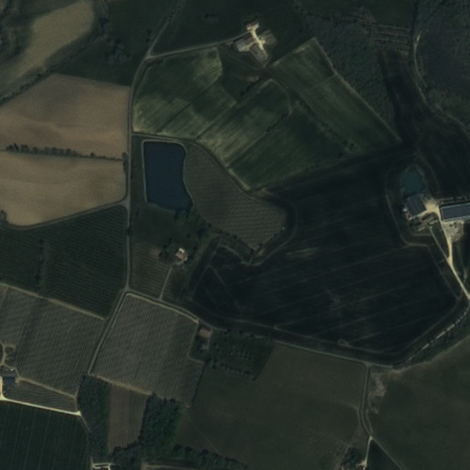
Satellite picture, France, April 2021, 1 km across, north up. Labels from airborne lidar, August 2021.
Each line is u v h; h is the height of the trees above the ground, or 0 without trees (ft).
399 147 0
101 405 63
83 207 0
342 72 53
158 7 0
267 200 0
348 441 0
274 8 0
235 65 0
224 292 0
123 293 0
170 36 0
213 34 0
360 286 0
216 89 0
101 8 0
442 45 41
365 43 70
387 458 0
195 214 49
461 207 0
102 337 0
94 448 55
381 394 0
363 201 0
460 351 0
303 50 0
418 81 35
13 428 17
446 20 52
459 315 0
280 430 0
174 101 0
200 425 0
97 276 0
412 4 0
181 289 0
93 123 0
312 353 0
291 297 0
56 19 0
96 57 0
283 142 0
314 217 0
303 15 39
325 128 44
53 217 0
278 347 0
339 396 0
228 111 0
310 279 0
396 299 0
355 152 38
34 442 18
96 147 0
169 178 0
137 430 0
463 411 0
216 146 0
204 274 0
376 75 57
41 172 0
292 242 0
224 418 0
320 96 0
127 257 0
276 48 0
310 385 0
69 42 0
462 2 61
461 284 0
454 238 0
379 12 0
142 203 0
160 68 0
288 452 0
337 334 0
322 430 0
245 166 0
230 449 0
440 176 0
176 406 57
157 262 0
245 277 0
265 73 0
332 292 0
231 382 0
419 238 0
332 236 0
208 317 0
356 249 0
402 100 0
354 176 0
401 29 20
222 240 0
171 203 0
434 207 0
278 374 0
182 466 0
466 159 0
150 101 0
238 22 0
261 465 0
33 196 0
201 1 0
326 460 0
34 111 0
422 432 0
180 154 0
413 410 0
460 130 0
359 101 0
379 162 0
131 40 0
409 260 0
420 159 0
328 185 0
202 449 0
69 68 0
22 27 0
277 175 0
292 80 0
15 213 0
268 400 0
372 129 0
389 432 0
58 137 0
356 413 0
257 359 0
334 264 0
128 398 0
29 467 19
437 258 0
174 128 0
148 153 0
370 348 0
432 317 0
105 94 0
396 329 0
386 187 0
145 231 0
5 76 0
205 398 0
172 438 69
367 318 0
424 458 0
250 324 0
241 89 0
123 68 0
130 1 0
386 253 0
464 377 0
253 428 0
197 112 0
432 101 33
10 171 0
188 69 0
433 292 0
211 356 25
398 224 0
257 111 0
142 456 70
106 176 0
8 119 0
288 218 0
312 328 0
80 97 0
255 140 0
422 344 0
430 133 0
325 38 58
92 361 0
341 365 0
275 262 0
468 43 40
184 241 0
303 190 0
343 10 0
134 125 0
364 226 0
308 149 0
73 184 0
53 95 0
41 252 47
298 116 0
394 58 0
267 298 0
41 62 0
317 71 0
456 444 0
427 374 0
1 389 0
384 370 0
